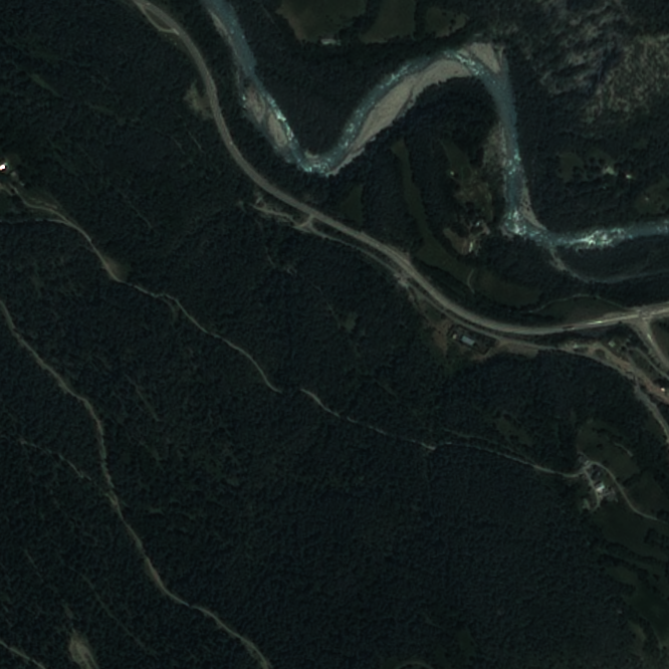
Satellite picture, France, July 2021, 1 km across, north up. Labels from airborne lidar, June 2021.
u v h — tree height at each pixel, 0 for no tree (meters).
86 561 13
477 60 0
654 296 13
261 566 14
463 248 0
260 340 9
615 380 8
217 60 12
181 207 18
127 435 13
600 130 8
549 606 17
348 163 0
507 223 0
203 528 11
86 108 15
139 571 23
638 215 10
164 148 15
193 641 20
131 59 20
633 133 12
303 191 10
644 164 11
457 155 0
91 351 27
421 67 0
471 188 0
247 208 11
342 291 14
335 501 24
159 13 0
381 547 11
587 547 13
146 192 10
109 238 14
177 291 18
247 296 10
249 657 20
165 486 12
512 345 0
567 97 6
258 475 21
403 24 0
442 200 6
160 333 18
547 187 10
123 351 21
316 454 16
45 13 17
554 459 14
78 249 14
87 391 25
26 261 23
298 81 8
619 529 0
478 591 13
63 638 16
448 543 26
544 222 13
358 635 25
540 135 8
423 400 24
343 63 15
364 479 12
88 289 18
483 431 24
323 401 11
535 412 17
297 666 32
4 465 13
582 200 11
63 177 20
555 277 14
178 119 14
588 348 0
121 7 14
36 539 8
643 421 6
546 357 12
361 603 17
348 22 6
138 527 17
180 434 12
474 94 8
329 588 21
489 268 11
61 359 10
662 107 12
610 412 14
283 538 28
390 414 18
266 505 21
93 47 18
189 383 7
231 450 8
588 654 12
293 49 14
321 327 14
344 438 23
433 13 0
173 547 17
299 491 22
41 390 21
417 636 21
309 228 0
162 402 14
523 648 15
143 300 21
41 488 13
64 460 6
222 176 10
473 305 7
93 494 10
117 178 16
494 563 18
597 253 11
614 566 9
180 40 0
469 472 19
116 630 9
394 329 14
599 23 6
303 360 15
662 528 0
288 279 19
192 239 14
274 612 12
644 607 0
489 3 8
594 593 17
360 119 0
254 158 14
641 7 8
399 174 13
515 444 10
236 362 19
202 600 20
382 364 14
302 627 25
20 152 18
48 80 15
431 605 15
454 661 9
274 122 0
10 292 27
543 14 6
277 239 12
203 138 14
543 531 14
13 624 16
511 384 17
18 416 19
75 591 11
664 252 8
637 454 6
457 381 14
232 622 14
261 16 10
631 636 11
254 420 16
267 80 13
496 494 26
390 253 0
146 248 19
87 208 21
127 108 16
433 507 30
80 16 17
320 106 8
